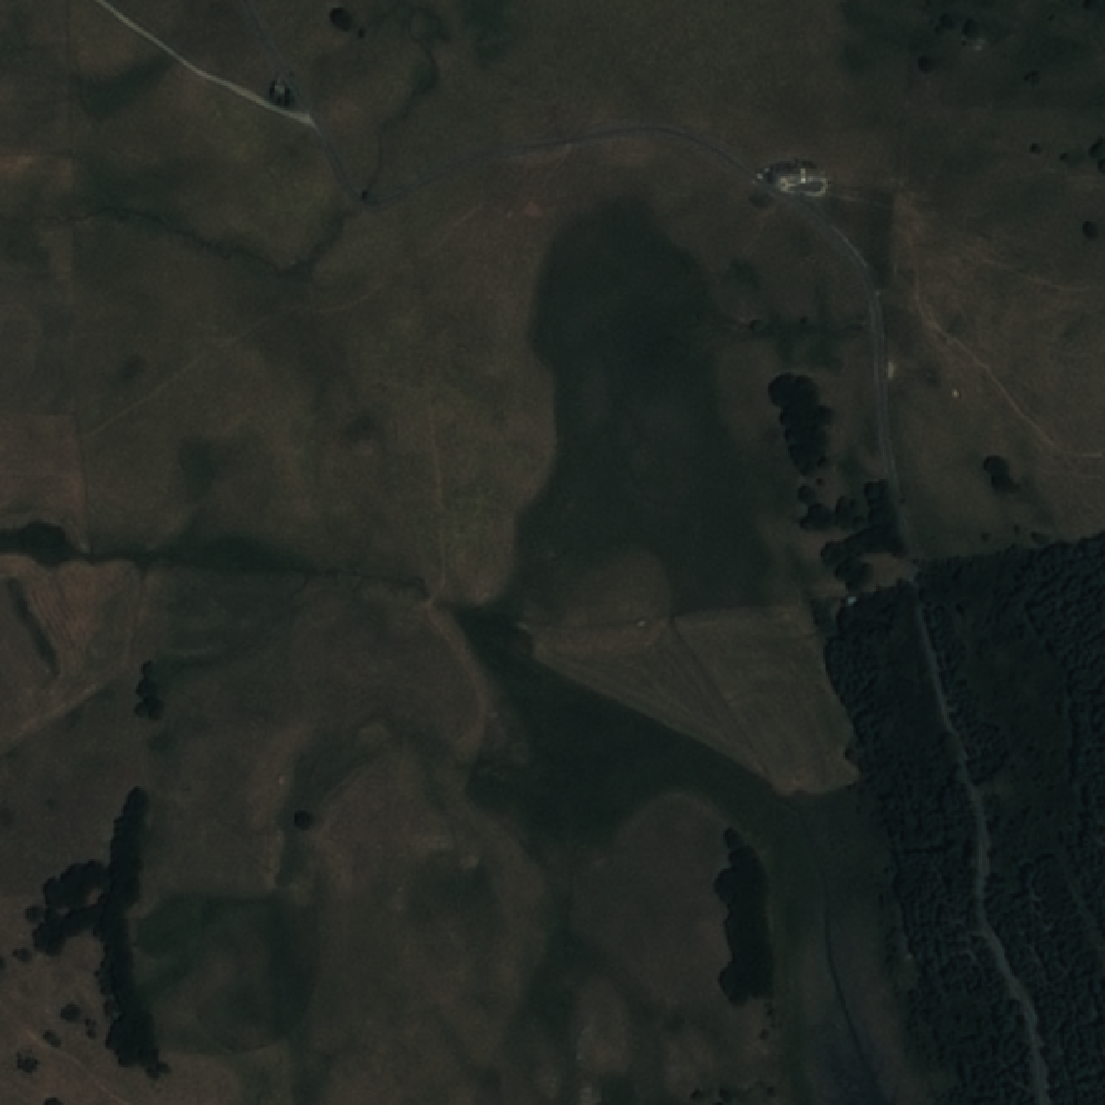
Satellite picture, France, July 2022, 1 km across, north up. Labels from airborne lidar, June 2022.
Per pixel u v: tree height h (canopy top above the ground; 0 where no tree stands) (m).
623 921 0
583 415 0
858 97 0
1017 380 0
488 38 0
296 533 0
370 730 0
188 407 0
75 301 0
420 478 0
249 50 0
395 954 0
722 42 0
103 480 0
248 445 0
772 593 0
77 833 0
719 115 0
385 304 0
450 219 0
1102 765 21
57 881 11
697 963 0
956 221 0
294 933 0
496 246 0
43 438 0
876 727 23
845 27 0
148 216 0
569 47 0
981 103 0
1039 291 0
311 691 0
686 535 0
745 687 0
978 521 0
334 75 0
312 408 0
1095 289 0
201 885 0
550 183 0
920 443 0
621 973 0
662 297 0
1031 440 0
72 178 0
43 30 0
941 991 19
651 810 0
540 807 0
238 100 0
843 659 19
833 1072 0
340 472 0
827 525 11
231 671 0
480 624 0
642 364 0
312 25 0
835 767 0
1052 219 0
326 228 0
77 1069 0
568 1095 0
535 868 0
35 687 0
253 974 0
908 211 0
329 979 0
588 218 0
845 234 0
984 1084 19
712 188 0
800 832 0
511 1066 0
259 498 0
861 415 0
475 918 0
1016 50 0
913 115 0
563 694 0
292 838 0
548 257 0
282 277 0
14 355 0
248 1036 0
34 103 0
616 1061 0
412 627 0
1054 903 14
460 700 0
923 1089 0
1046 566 20
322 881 0
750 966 14
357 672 0
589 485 0
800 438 15
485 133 0
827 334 0
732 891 13
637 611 0
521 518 0
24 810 0
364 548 0
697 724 0
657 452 0
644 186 0
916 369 0
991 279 0
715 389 0
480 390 0
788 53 0
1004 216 0
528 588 0
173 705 0
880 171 0
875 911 0
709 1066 0
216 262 0
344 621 0
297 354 0
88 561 0
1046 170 0
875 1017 0
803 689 0
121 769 0
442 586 0
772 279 0
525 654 0
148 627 0
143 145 0
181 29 0
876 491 14
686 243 0
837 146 0
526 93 0
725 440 0
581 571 0
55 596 0
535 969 0
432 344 0
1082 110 0
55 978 0
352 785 0
